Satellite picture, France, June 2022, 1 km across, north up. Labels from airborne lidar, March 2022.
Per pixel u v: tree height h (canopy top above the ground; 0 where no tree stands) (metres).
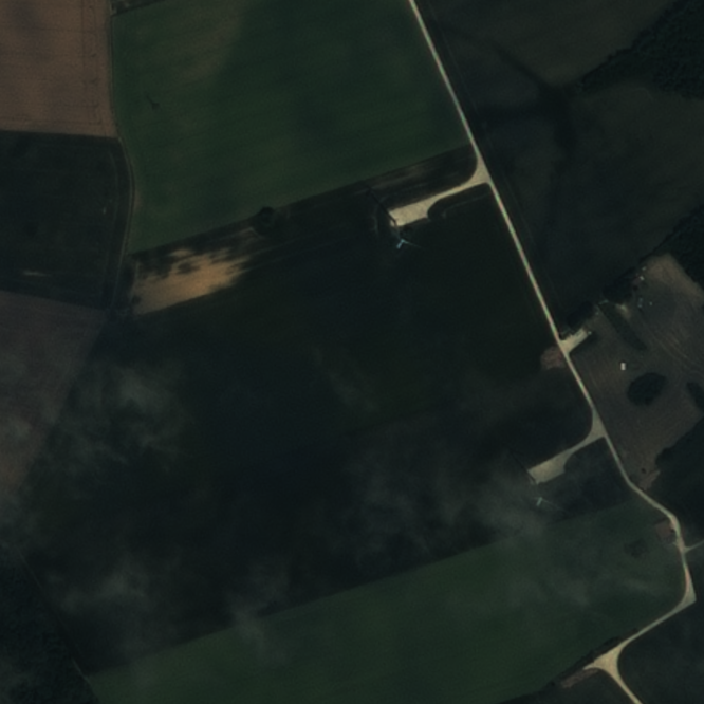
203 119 0
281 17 0
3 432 0
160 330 0
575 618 0
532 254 0
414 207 0
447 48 0
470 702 0
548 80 0
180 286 0
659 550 0
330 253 0
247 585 0
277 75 0
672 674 0
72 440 0
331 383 0
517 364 0
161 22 0
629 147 0
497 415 0
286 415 0
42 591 0
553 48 0
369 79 0
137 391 0
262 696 0
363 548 0
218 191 0
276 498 0
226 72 0
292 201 0
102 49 0
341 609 0
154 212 0
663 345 0
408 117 0
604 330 0
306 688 0
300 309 0
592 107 0
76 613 0
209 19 0
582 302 0
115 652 0
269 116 0
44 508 0
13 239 0
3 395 0
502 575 0
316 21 0
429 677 0
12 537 0
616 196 0
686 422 0
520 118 0
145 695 0
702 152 0
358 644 0
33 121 0
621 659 0
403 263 0
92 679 0
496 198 0
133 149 0
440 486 0
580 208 0
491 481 0
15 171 0
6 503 0
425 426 0
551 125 0
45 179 0
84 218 0
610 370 0
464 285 0
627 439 0
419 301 0
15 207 0
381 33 0
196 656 0
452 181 0
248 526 0
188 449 0
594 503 0
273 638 0
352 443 0
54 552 0
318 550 0
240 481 0
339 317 0
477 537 0
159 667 0
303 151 0
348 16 0
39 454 0
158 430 0
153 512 0
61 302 0
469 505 0
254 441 0
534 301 0
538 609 0
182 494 0
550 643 0
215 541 0
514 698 0
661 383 9
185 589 0
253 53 0
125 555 0
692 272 15
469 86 0
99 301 0
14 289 0
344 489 0
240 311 0
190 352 0
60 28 0
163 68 0
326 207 0
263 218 8
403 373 0
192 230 0
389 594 0
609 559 0
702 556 0
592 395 0
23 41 0
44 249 0
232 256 0
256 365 0
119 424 0
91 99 0
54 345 0
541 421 0
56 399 0
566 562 0
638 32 0
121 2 0
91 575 0
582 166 0
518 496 0
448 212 0
